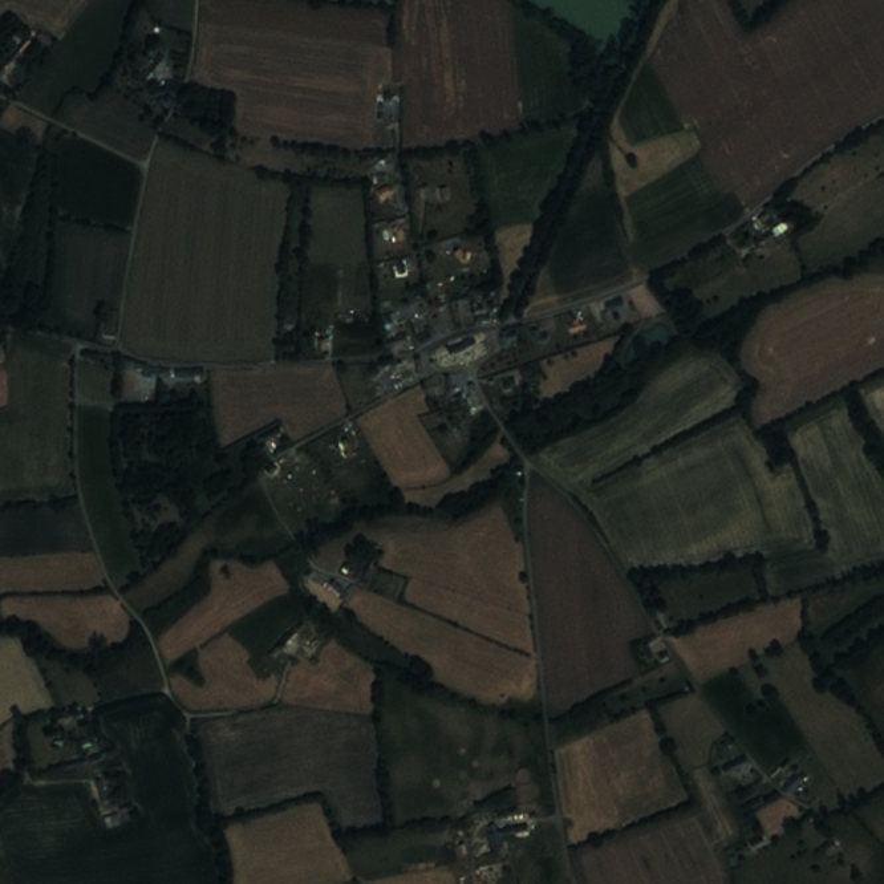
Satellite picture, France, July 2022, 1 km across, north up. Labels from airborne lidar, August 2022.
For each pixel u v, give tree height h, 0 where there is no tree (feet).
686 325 26
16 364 0
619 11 0
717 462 0
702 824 0
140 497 20
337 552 0
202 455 34
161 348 0
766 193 0
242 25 0
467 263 0
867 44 0
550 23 41
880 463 39
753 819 50
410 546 0
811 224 29
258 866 0
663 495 0
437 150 36
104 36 0
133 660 0
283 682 0
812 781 0
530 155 0
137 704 31
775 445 47
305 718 0
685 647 0
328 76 0
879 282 0
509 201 0
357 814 0
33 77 21
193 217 0
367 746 0
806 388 0
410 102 0
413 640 0
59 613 0
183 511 23
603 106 43
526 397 23
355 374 0
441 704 0
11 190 0
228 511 0
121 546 0
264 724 0
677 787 0
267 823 0
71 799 0
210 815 59
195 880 0
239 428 0
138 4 42
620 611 0
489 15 0
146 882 0
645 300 0
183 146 31
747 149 0
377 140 0
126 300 0
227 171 0
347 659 0
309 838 0
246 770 0
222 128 52
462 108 0
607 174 22
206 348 0
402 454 0
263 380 0
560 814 0
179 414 44
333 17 0
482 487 50
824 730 0
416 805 0
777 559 0
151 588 0
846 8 0
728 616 28
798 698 0
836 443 0
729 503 0
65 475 0
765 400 0
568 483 0
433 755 0
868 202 0
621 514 0
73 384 24
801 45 0
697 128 0
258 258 0
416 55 0
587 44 74
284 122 0
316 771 0
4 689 0
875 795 27
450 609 0
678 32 0
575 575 0
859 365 0
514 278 39
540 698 0
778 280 0
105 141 0
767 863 0
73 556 0
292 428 0
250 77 0
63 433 0
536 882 0
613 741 0
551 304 0
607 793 0
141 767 0
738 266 0
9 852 0
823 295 0
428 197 0
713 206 0
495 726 0
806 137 0
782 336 0
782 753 0
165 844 0
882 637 58
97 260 0
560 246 0
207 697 0
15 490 0
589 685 0
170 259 0
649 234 0
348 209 0
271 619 0
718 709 0
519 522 30
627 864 0
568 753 0
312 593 0
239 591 0
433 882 0
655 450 29
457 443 0
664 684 21
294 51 0
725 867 0
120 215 0
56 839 0
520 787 0
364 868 0
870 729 31
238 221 0
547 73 0
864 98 0
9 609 0
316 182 25
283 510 0
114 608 0
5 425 0
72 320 0
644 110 0
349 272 0
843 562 0
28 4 0
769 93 0
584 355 0
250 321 0
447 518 0
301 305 18
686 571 57
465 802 0
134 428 31
